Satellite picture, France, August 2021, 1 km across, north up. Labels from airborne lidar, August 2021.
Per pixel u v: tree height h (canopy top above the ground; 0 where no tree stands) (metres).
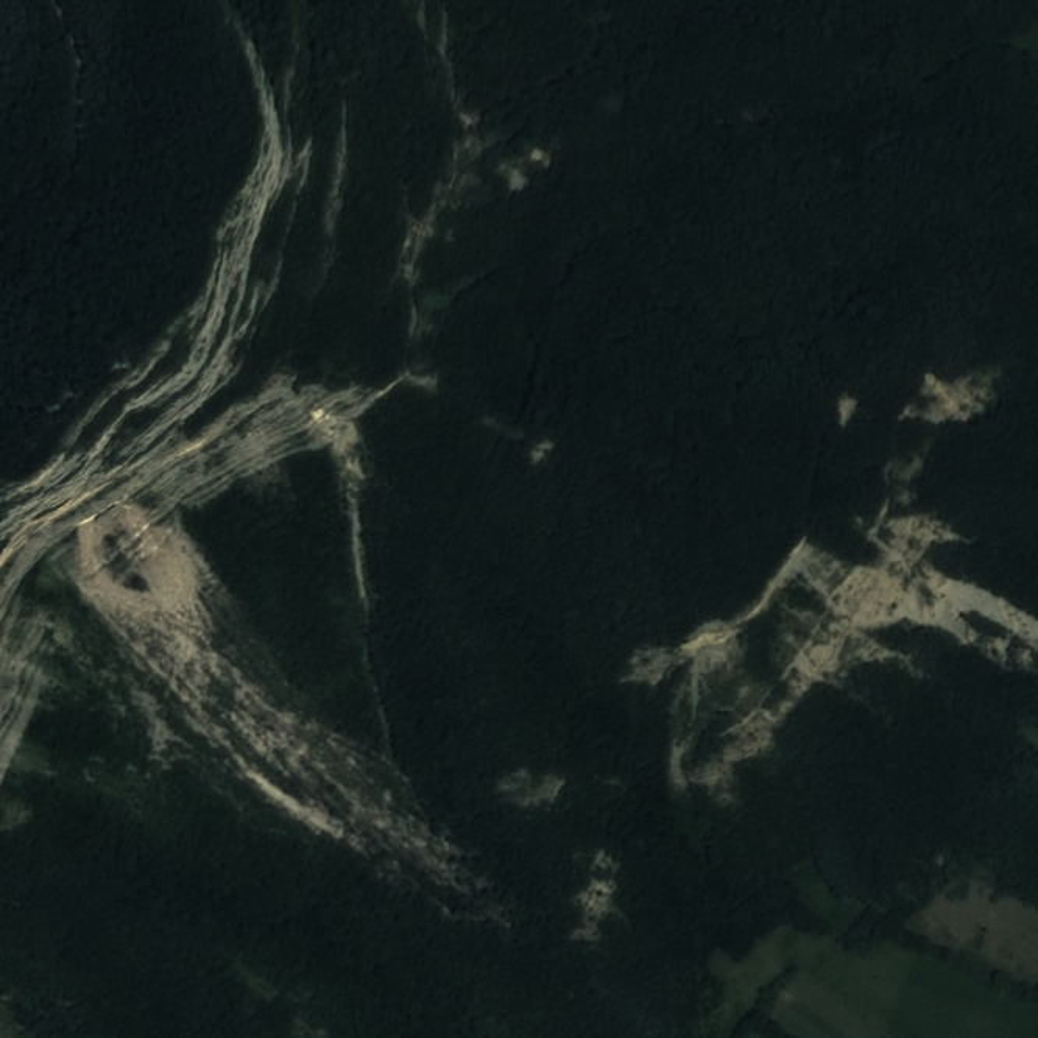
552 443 7
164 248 18
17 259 17
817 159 26
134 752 7
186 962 14
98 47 17
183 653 0
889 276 25
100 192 25
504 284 13
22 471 14
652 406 21
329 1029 12
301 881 17
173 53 17
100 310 15
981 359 9
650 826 24
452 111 53
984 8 16
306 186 11
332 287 10
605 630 16
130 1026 17
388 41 18
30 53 18
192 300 7
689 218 26
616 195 21
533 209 16
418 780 16
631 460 18
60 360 15
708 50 15
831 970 0
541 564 15
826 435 16
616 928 12
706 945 12
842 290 27
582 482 9
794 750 14
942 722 13
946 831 17
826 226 16
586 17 22
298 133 7
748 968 0
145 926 16
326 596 10
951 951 13
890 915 9
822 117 26
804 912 18
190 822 8
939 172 21
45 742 9
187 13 13
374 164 11
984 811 16
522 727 18
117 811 7
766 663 9
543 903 15
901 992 0
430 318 7
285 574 10
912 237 31
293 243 13
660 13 22
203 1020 19
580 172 19
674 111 25
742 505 24
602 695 22
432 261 11
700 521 24
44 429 18
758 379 22
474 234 7
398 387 9
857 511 13
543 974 11
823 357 28
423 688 20
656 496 16
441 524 16
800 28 26
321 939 25
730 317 23
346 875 13
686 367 27
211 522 10
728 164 30
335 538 10
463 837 18
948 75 19
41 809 12
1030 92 20
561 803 11
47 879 12
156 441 7
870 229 22
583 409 26
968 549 12
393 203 13
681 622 13
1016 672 7
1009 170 22
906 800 20
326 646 8
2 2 11
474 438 13
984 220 25
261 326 15
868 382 8
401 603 18
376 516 10
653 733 20
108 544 8
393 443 12
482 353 21
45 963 10
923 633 11
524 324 10
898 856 20
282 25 20
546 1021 8
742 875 19
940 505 12
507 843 19
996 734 12
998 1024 0
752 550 21
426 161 13
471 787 15
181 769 8
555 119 17
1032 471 21
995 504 18
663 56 24
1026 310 20
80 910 16
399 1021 22
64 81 19
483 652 13
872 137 29
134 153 18
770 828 7
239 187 6
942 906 0
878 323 28
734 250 19
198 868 15
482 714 18
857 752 15
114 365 10
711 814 12
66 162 17
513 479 13
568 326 24
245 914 23
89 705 6
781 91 23
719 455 21
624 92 16
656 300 13
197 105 19
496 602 17
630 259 19
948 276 13
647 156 22
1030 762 12
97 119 20
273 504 8
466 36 16
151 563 0
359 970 27
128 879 17
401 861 10
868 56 20
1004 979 14
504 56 15
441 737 14
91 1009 14
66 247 23
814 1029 0
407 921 17
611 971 11
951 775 18
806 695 9
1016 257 23
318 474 12
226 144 20
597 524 12
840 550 11
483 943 17
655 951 16
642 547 16
